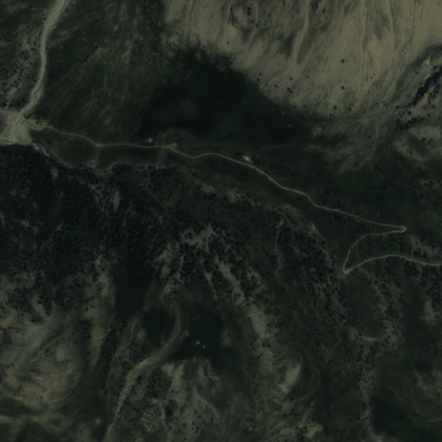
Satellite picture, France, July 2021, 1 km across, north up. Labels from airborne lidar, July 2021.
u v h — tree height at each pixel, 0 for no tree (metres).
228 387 0
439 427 0
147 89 0
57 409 0
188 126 0
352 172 0
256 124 0
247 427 0
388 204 0
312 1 0
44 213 8
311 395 0
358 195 0
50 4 0
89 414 0
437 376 0
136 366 0
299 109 0
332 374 0
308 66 0
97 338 0
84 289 0
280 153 0
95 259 5
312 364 0
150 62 0
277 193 0
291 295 0
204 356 0
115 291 0
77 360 0
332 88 0
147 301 0
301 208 0
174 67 0
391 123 0
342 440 0
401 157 0
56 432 0
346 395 0
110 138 0
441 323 0
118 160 0
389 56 0
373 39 0
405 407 0
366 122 0
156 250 7
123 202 7
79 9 0
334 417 0
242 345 0
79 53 0
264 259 0
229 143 0
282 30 0
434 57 0
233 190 0
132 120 0
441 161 0
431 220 0
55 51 0
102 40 0
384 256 0
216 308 0
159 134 0
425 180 0
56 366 0
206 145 0
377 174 0
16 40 0
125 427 0
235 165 0
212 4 0
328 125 0
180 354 0
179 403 0
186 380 0
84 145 0
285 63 0
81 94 0
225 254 6
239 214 0
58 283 8
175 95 0
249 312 0
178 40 0
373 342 0
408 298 0
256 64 0
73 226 7
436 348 0
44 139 0
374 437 0
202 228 7
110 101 0
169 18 0
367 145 0
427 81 0
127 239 7
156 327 0
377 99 0
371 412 0
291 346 0
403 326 0
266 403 0
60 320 0
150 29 0
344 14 0
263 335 0
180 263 0
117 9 0
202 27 0
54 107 0
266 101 0
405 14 0
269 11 0
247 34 0
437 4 0
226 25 0
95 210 11
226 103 0
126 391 0
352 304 0
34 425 0
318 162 0
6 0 0
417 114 0
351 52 0
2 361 0
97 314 0
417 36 0
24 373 0
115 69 0
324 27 0
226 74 0
